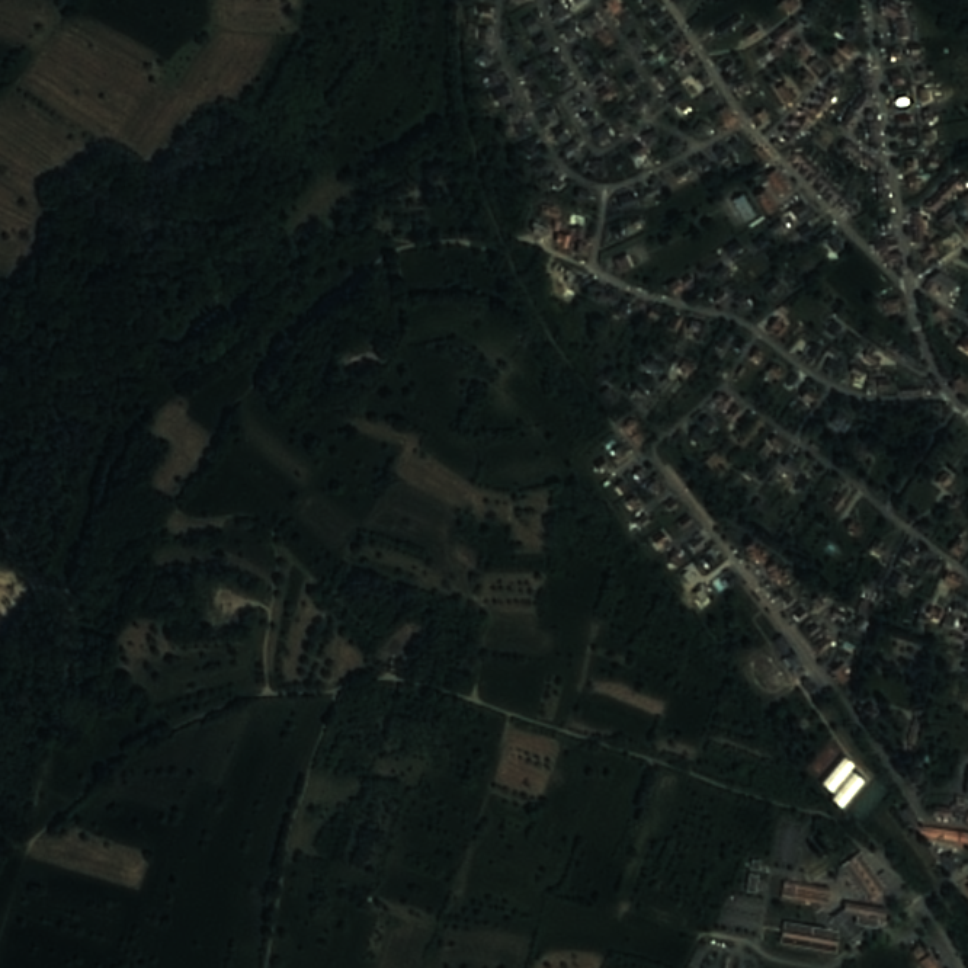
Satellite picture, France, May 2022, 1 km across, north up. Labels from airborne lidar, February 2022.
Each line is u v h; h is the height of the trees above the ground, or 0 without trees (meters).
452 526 0
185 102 0
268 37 0
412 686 8
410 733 15
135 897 0
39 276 24
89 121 0
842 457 19
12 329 31
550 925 0
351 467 0
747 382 0
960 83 0
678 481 0
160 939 0
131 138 0
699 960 0
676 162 0
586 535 9
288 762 0
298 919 6
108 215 25
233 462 0
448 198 22
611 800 0
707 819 9
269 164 28
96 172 19
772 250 5
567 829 0
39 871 0
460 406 0
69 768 0
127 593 23
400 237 6
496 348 0
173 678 0
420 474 0
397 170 15
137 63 0
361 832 13
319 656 6
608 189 0
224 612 0
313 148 13
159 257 31
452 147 15
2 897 0
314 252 22
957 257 0
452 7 11
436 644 10
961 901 15
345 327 25
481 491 0
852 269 0
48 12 0
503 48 0
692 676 0
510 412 0
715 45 0
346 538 0
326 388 31
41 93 0
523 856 0
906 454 16
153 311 29
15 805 23
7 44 0
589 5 0
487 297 7
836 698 7
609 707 0
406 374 11
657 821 0
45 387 31
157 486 0
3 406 29
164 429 0
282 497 0
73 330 33
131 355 32
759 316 8
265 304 29
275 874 6
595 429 14
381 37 10
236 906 0
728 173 12
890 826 0
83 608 29
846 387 0
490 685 0
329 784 0
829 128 0
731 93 0
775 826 0
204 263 30
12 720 21
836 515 0
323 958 0
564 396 18
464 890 0
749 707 15
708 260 0
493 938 0
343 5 0
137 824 6
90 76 0
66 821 11
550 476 0
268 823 0
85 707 22
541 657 0
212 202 27
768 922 0
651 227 0
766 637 0
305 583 0
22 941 0
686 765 10
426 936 0
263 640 0
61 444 29
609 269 0
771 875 0
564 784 0
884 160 0
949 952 0
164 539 12
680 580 0
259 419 0
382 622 6
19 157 0
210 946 0
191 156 18
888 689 0
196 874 0
